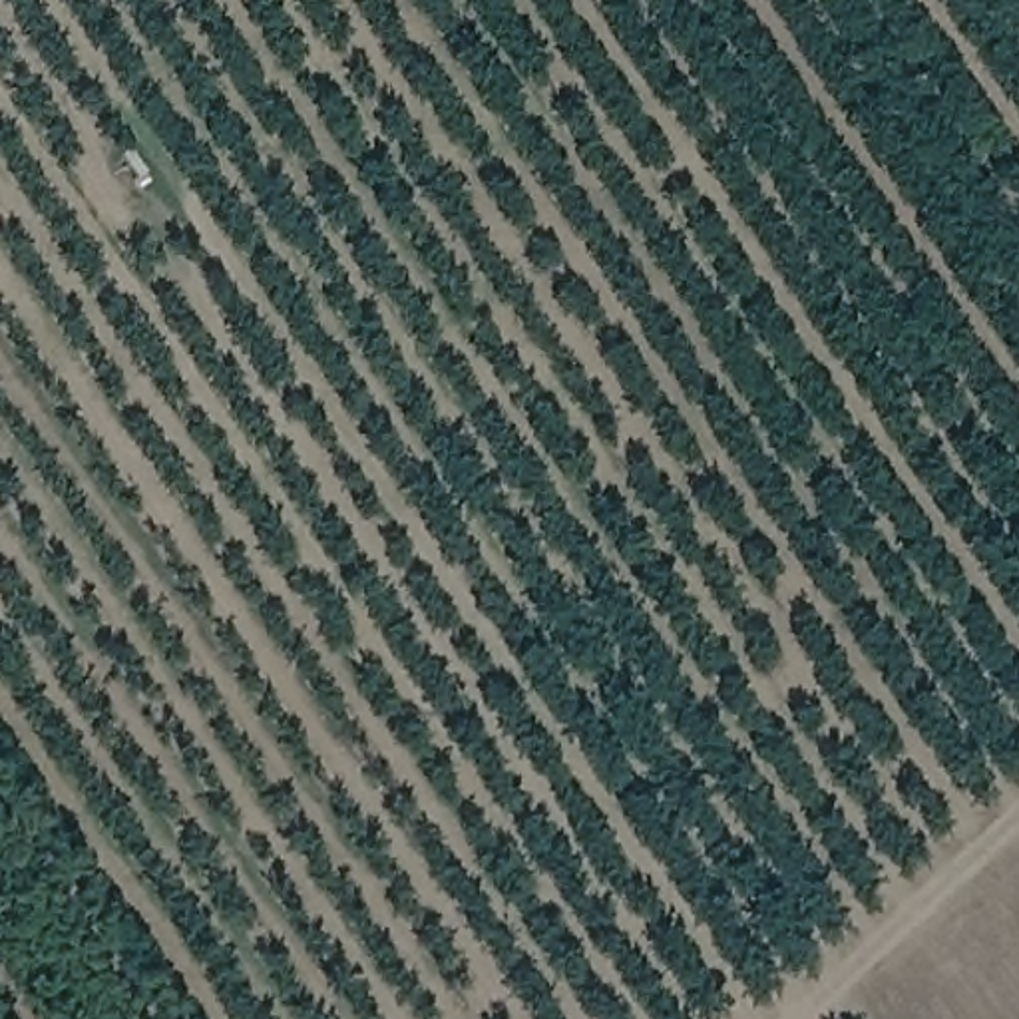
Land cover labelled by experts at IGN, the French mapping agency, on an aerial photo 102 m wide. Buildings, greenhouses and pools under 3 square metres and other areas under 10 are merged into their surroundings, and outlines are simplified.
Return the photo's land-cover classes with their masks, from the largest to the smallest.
<instances>
[{"label":"deciduous trees","instance_id":"1","mask_svg":"<svg viewBox=\"0 0 1019 1019\"><path fill-rule=\"evenodd\" d=\"M36 52L56 68V76L96 115L100 131L115 147H131L135 135L111 107L103 84L80 68L68 36L48 16L44 0H8ZM92 44L103 48L111 72L131 92L139 115L171 151L175 167L191 179L223 235L247 255L259 287L287 314L303 350L322 366L370 450L406 490L410 506L438 537L446 561L466 569L478 609L502 629L506 645L533 677V689L581 740L589 764L621 800V812L629 816L641 844L669 868L681 896L713 927L720 955L732 959L736 979L748 987V995L756 1003H768L788 971L816 975L820 947L828 939H840L844 919L852 912H880V872L868 860L860 836L844 824L836 800L820 792L784 724H772L776 713H768L756 701L744 673L732 661L728 641L709 629L697 601L685 593V581L673 573V561L661 549H653L645 521L625 510L621 494L597 482L589 486L585 502L593 517L609 529L613 545L625 553L629 569L641 577V585L657 597L661 613H669L677 637L693 649L701 673L716 677L713 697L693 693L673 653L661 645L657 629L633 605L625 585L613 581V569L597 553V541L569 517L561 498L553 494L533 450L502 418L498 402L486 398L466 358L450 342H442L426 295L410 287L406 271L370 231L342 175L330 163H322L295 103L263 80V68L251 56L247 40L215 0H127L135 24L175 68L187 100L203 111L211 127V135L199 143L191 123L175 115L159 84L147 76L143 56L123 36L115 12L100 0H68ZM175 20H195L223 64L203 68L191 44L175 32ZM227 72L235 76L247 103L259 111L263 127L275 131L303 159L310 191L322 199V211L346 231V243L362 275L394 299L402 322L418 338V350L454 386L458 418H438L430 390L418 374L406 370L398 346L382 330L374 303L350 291L330 243L318 235L310 219V207L295 199L279 163L259 159L247 123L227 107V100L215 88ZM219 147L231 151L235 167L259 195L255 203L243 207L219 175ZM255 211H267L279 235L322 271L326 303L346 318L350 334L362 342V354L398 398L406 422L430 446L422 462L406 454L386 410L366 394L362 378L350 370L346 350L318 326L306 287L287 271L283 259L271 255L251 219ZM462 510L482 513L486 525L502 537V553L510 557L513 573L529 593L521 605L510 601L502 581L482 561L478 541L466 533L458 517ZM760 752L776 764L788 792L820 828L828 860L816 864L808 844L796 836L792 816L776 808L772 788L752 768V756ZM279 64L314 100L322 123L330 127L346 159L358 167L362 183L374 191L386 219L410 239L414 255L434 275L450 314L474 318L470 342L486 354L502 382H513V402L529 414L533 430L573 482L593 470L585 438L565 422L557 398L533 378L517 350L502 342L490 306H482L470 295L466 267L454 263V255L442 247V239L414 207V191H426L442 207L450 227L466 239L490 287L513 306L525 334L545 350L565 390L593 418L601 442L617 438L609 398L601 394V382L585 374V366L573 358V350L561 342L549 318L537 310L533 287L521 283L510 259L494 247L490 231L482 227L466 195L462 171L430 155L422 127L406 115L402 100L374 80V68L366 52L354 48L346 12H338L334 0H299L303 12L314 20L318 36L346 64L354 88L366 100H378L382 131L370 143L362 135L358 111L338 92V84L306 68L303 36L287 20L279 0H243ZM390 64H398L410 88L422 100H430L446 135L474 155L486 191L494 195L498 211L517 227L525 255L553 279L557 303L597 334L601 358L617 370L629 406L649 414L665 450L685 462V474L701 506L728 537H736L764 593L776 589L780 577L772 541L744 517L736 490L705 462L693 430L661 394L629 334L605 318L593 287L561 255L557 235L537 223L529 195L521 191L517 175L502 159H494L490 135L474 123L450 76L422 44L406 36L394 0H358ZM426 12V20L442 32L450 52L470 68V80L486 107L506 119L513 147L533 163L537 179L553 191L561 215L585 239L589 255L601 263L621 303L633 306L649 342L661 350L685 394L701 402L716 442L744 470L760 506L780 521L808 577L844 613L860 649L892 685L896 701L904 705L916 728L935 748L951 780L979 804L995 800V776H1019V649L991 617L983 593L963 577V565L947 553L943 537L931 533V521L896 478L892 462L876 450L864 426L852 422L832 374L804 350L792 318L776 306L768 283L756 279L744 247L728 235L713 199L697 191V183L669 195L685 207V219L693 223L697 239L716 263L720 283L709 287V279L693 267L685 251V239L657 215V207L629 175V167L597 135V123L585 111L577 88H557L553 107L573 127L585 167L601 175L621 215L645 235L669 283L697 310L709 346L720 354L724 370L748 394V402L760 410L772 446L784 450L792 466L808 474L816 513H804L784 470L760 454L748 422L713 382V374L701 370L681 322L669 314L661 299H653L649 279L629 255V243L609 231L605 215L589 203L585 187H577L561 143L545 131L537 115L525 111L521 84L541 80L549 72V60L541 36L513 8V0H470L510 48V60L498 64V52L482 44L470 20L454 16L450 0H414ZM812 422H824V430L844 442V458L856 466L852 474L840 478L832 470V462L812 442ZM828 529L844 533V541L860 557H868L892 605L908 613V625L927 657L923 669L912 665L904 641L896 637V625L880 617L876 605L860 593L852 569L836 561ZM557 32L565 64L593 84L609 119L625 131V139L649 167L665 163L673 147L657 119L641 111L629 80L617 72V64L605 56L593 28L573 12L569 0H533ZM609 28L653 84L657 100L669 103L685 131L697 139L709 171L724 183L728 199L756 231V239L804 303L824 342L844 358L856 386L872 398L876 414L908 454L912 470L927 482L947 521L959 525V533L967 537V545L975 549L1007 605L1019 613V390L999 370L991 350L975 338L971 322L943 291L939 275L916 251L912 235L900 227L892 203L856 163L836 127L824 119L820 103L800 84L796 68L776 48L772 32L756 20V12L744 0H597ZM912 394H923L931 418L947 430L963 422V414H991V430L975 426L971 438L959 442L963 462L983 478L991 494L987 506H975L967 482H959L947 470L939 442L919 430L908 406ZM784 24L792 28L796 44L836 96V103L864 131L872 155L892 171V179L916 207V219L939 243L943 259L951 263L967 295L983 306V314L1019 362V139L1007 131L995 103L963 68L955 44L943 36V28L927 16L919 0H772ZM959 28L975 40L983 64L995 72L1003 92L1019 103V0H943ZM0 80L12 88V100L32 115V123L44 127L60 167H72L80 159V139L76 127L56 111L48 88L16 56L8 32L0 28ZM0 155L16 175L20 191L28 195V203L52 227V239L60 243L68 267L80 271L84 283L96 291L107 322L127 342L135 362L147 370L155 390L171 402L187 390V382L179 378L171 350L151 330L135 299L115 291V283L107 279L100 247L92 243V235H84L76 211L48 187L16 123L0 115ZM0 247L8 251L16 275H24L32 295L40 299V306L60 322L68 346L88 354V366L103 398L123 390V374L92 334L80 299L60 291L48 275L20 219H0ZM179 251L183 259H191L203 271L207 291L219 303L231 334L251 350L259 378L275 386L291 370L287 350L255 314V306L239 295L223 263L199 243L195 227L171 219L151 223L147 239L127 251L131 271L143 287H155V279H167L163 259ZM159 306L187 342L195 366L227 398L247 438L259 450H267L271 470L295 498V506L306 513L322 549L338 561L342 577L362 593L390 649L402 657L422 693L438 705L450 736L466 748L494 800L517 820L537 864L557 880L561 896L585 919L593 943L617 963V971L641 995L653 1019H681L677 999L661 987L657 971L617 927L609 900L585 892L581 868L565 848V836L549 824L541 804L529 800L521 780L506 768L498 744L486 736L478 713L462 697V681L446 673V661L430 653V645L418 641L414 621L398 605L394 589L358 549L338 510L318 498L314 474L299 466L295 446L283 434H275L267 406L247 394L235 358L215 350V338L175 287L159 299ZM0 326L8 330L20 374L36 386L44 410L56 414L60 430L88 462L100 490L115 506L135 510L139 490L119 478L103 438L92 434L80 406L72 402L68 382L56 378V370L40 358L20 314L0 299ZM287 414L310 430V438L326 450L334 474L342 478L346 494L354 498V506L370 517L382 502L370 478L342 450L310 386L295 382L283 390ZM0 422L32 454V466L44 478V486L64 502L72 525L88 537L111 589L127 581L135 569L123 545L88 510L72 474L56 462V450L40 438V430L20 414V406L0 386ZM123 430L159 470L163 486L179 498L203 545H215L223 521L211 498L187 474L183 454L135 402L119 414ZM183 426L211 458L215 482L255 525L263 553L279 565L287 585L299 589L303 601L318 613L322 637L334 649L350 645L354 625L342 597L330 589L322 573L299 561L295 537L271 506V498L255 486L247 466L235 462L223 430L199 406H191L183 414ZM633 490L645 506L661 513L673 545H681V557L701 569L716 605L744 633L756 669H776L780 645L768 617L748 609L728 561L697 537L681 494L653 466V458H645L625 466ZM8 502L20 510V537L52 581H68L76 565L68 553L52 557L56 537L44 533L40 510L24 498L12 462H0V506ZM378 533L386 541V553L406 573L410 593L422 601L426 617L450 633L454 649L474 665L478 685L486 701L498 709L502 728H510L517 748L549 780L581 844L589 848L601 880L621 888L629 908L645 919L649 939L681 975L689 999H697L705 1019H720L732 1003L724 995V975L705 967L697 943L685 935V923L661 904L653 880L625 860L605 824V812L585 796L577 776L565 768L561 748L525 709L517 681L494 665L478 633L458 617L454 597L438 585L434 569L414 553L406 529L398 521L382 525ZM163 581L195 613L199 637L211 649H219V661L239 677L243 693L291 756V764L306 776L318 772L322 760L310 752L299 716H291L279 705L275 685L259 673L235 621L215 613L199 569L183 561L171 537L163 541ZM223 573L255 609L267 637L299 669V681L310 689L314 705L326 716V728L342 744L358 748L366 740L362 724L346 713L342 693L303 641V633L291 625L283 601L267 593L263 581L251 573L243 541L231 537L219 557ZM76 621L64 633L44 605L32 601V589L20 577L16 561L0 553V681L12 689L16 705L36 724L52 760L76 780L103 832L115 840L123 856H131L147 892L171 916L191 955L207 967V979L231 1019H275L271 999L251 995L235 963V947L219 943L211 931V916L223 912L231 919L235 912L251 908L235 876L219 860L215 836L199 832L195 820L179 824V852L187 856L191 872H199L211 888V900L199 908V900L171 876V864L143 836L139 820L127 808V796H119L107 784V776L88 760L80 736L72 732L60 709H52L44 685L32 677V665L24 657V637H44V649L56 665L64 693L88 713L96 736L115 756L123 776L139 784L151 812L167 816L179 808V796L163 784L159 764L115 720L107 693L92 685L72 649L76 641H92L103 657H111L107 673L123 681L131 693H159L151 673L143 669V657L131 649L123 633L103 625L96 585H84L80 597H68ZM127 609L135 613V621L151 633L163 661H183V633L167 625V617L151 605L147 589H135ZM796 641L808 653L816 681L852 720V732L840 736V752H828L824 764L860 800L868 828L876 832V844L900 864L904 876H912L927 860V848L884 804L876 772L868 768L872 760L904 748L900 740L884 705L852 681L848 657L840 653L824 621L804 625ZM362 697L390 724L398 744L410 748L438 800L458 816L470 848L490 868L502 896L517 904L529 935L549 951L553 967H561V975L569 979L581 1007L593 1019H629L613 987L601 983L597 971L585 963L557 908L537 900L533 880L510 848V836L486 824L482 808L458 788L450 756L430 740L418 709L398 697L378 657L366 653L354 669ZM179 689L203 709L211 732L235 760V768L247 776L259 804L271 812L275 828L291 840L295 852H303L314 884L334 900L342 919L362 939V947L374 955L382 979L414 1011V1019H434V995L402 963L390 931H382L370 919L366 900L358 884H350L346 868L330 864L318 828L303 816L291 784L267 776L259 748L227 716L219 689L191 669L179 677ZM155 736L179 748L183 772L191 776L195 796L207 804V812L219 820H235L239 808L227 796L215 764L195 744L187 724L171 713L155 724ZM0 1019H207L203 1003L187 991L175 963L159 951L147 919L96 864V852L88 848L76 816L52 800L40 768L28 760L16 732L0 716ZM366 780L382 788L390 816L426 856L430 876L442 884V892L458 900L466 923L490 947L506 983L525 999L533 1019H565L549 983L513 943L510 927L490 912L478 880L466 876L458 856L442 844L438 828L414 804V792L390 772L386 756H374L362 768ZM896 784L904 800H912L939 836L951 828L947 800L912 764L900 768ZM326 808L338 824V836L386 884L390 908L410 919L438 975L450 987H470V967L466 955L454 947V935L442 927L434 908H426L414 896L410 876L390 856L378 824L362 816L342 780H334ZM271 892L283 904L287 923L299 931L330 987L350 1003L358 1019H382L358 967L342 955V943H334L322 931V919L306 916L299 888L291 884L279 860L271 864ZM267 979L283 991L287 1007L299 1019H334L299 983L291 955L283 951L267 955Z\"/></svg>","mask_w":1019,"mask_h":1019},{"label":"herbaceous vegetation","instance_id":"2","mask_svg":"<svg viewBox=\"0 0 1019 1019\"><path fill-rule=\"evenodd\" d=\"M48 16L68 36L80 68L103 84L111 107L135 135L131 147H115L100 131L96 115L56 76V68L36 52L8 0H0V28L8 32L16 56L48 88L56 111L76 127L80 139V159L72 167H60L44 127L32 123V115L12 100V88L0 80V115L16 123L48 187L76 211L84 235H92V243L100 247L107 279L115 283V291L135 299L151 330L171 350L179 378L187 382V390L171 402L155 390L147 370L135 362L127 342L107 322L96 291L84 283L80 271L68 267L60 243L52 239V227L28 203V195L20 191L16 175L0 155V219H20L48 275L60 291L80 299L92 334L123 374V390L103 398L88 366V354L68 346L60 322L40 306V299L32 295L24 275H16L8 251L0 247V299L20 314L40 358L56 370V378L68 382L72 402L80 406L92 434L103 438L119 478L139 490L135 510L115 506L100 490L88 462L60 430L56 414L44 410L36 386L20 374L8 330L0 326V386L20 406V414L40 430V438L56 450V462L72 474L88 510L123 545L135 569L127 581L111 589L88 537L72 525L64 502L44 486V478L32 466V454L0 422V462H12L24 498L40 510L44 533L56 537L52 557L68 553L76 565L68 581H52L20 537V510L8 502L0 506V553L16 561L20 577L32 589V601L44 605L64 633L76 621L68 597H80L84 585H96L103 625L123 633L131 649L143 657V669L151 673L159 693H131L123 681L107 673L111 657H103L92 641H76L72 649L92 685L107 693L115 720L159 764L163 784L179 796V808L167 816L151 812L139 784L123 776L115 756L96 736L88 713L64 693L56 665L44 649V637H24V657L32 665V677L44 685L52 709H60L72 732L80 736L88 760L107 776V784L119 796H127V808L139 820L143 836L171 864V876L199 900V908L211 900V888L199 872H191L187 856L179 852V824L195 820L199 832L215 836L219 860L235 876L251 908L235 912L231 919L223 912L211 916V931L219 943L235 947V963L251 995L271 999L275 1019H299L287 1007L283 991L267 979V955L283 951L291 955L299 983L334 1019H358L350 1003L330 987L299 931L287 923L283 904L271 892V864L279 860L291 884L299 888L306 916L322 919V931L334 943H342V955L358 967L382 1019H414V1011L382 979L374 955L362 947V939L342 919L334 900L314 884L303 852H295L291 840L275 828L271 812L259 804L247 776L235 768V760L211 732L203 709L179 689V677L191 669L219 689L227 716L259 748L267 776L291 784L303 816L318 828L330 864L346 868L350 884H358L366 900L370 919L382 931H390L402 963L434 995V1019H533L525 999L506 983L490 947L466 923L458 900L442 892V884L430 876L426 856L390 816L382 788L366 780L362 768L374 756H386L390 772L414 792V804L438 828L442 844L458 856L466 876L478 880L490 912L510 927L513 943L549 983L565 1019H593L581 1007L569 979L561 975V967H553L549 951L529 935L517 904L502 896L490 868L470 848L458 816L438 800L410 748L398 744L390 724L362 697L354 669L366 653L378 657L398 697L418 709L430 740L450 756L458 788L482 808L486 824L510 836V848L533 880L537 900L557 908L585 963L597 971L601 983L613 987L629 1019H653L641 995L617 971V963L593 943L585 919L561 896L557 880L537 864L517 820L494 800L466 748L450 736L438 705L422 693L402 657L390 649L362 593L342 577L338 561L322 549L306 513L295 506V498L271 470L267 450H259L247 438L227 398L195 366L187 342L159 306V299L175 287L215 338V350L235 358L247 394L267 406L275 434H283L295 446L299 466L314 474L318 498L338 510L358 549L394 589L398 605L414 621L418 641L430 645V653L446 661V673L462 681V697L478 713L486 736L498 744L506 768L521 780L529 800L541 804L549 824L565 836V848L581 868L585 892L609 900L617 927L657 971L661 987L677 999L681 1019H705L697 999H689L681 975L649 939L645 919L629 908L621 888L601 880L589 848L581 844L549 780L517 748L510 728H502L498 709L486 701L478 685L474 665L454 649L450 633L426 617L422 601L410 593L406 573L386 553V541L378 533L382 525L398 521L406 529L414 553L434 569L438 585L454 597L458 617L478 633L494 665L517 681L525 709L561 748L565 768L577 776L585 796L605 812V824L625 860L653 880L661 904L685 923V935L697 943L705 967L724 975V995L732 1003H744L748 995V987L736 979L732 959L720 955L713 927L681 896L669 868L641 844L629 816L621 812V800L589 764L581 740L533 689V677L506 645L502 629L478 609L466 569L446 561L438 537L410 506L406 490L370 450L322 366L303 350L287 314L259 287L247 255L223 235L191 179L175 167L171 151L139 115L131 92L111 72L103 48L92 44L68 0H44ZM171 219L195 227L199 243L223 263L239 295L255 306V314L287 350L291 370L275 386L259 378L251 350L231 334L219 303L207 291L203 271L191 259H183L179 251L163 259L167 279H155V287H143L131 271L127 251L147 239L151 223ZM295 382L310 386L342 450L370 478L382 502L370 517L354 506V498L346 494L342 478L334 474L326 450L310 438V430L287 414L283 390ZM135 402L183 454L187 474L211 498L223 521L215 545H203L179 498L163 486L159 470L123 430L119 414ZM191 406H199L223 430L235 462L247 466L255 486L271 498V506L295 537L299 561L322 573L330 589L342 597L354 625L350 645L334 649L322 637L318 613L303 601L299 589L287 585L279 565L263 553L255 525L215 482L211 458L183 426V414ZM171 537L183 561L199 569L215 613L235 621L259 673L275 685L279 705L291 716H299L310 752L322 760L318 772L306 776L291 764V756L243 693L239 677L219 661V649H211L199 637L195 613L163 581V541ZM231 537L243 541L251 573L263 581L267 593L283 601L291 625L303 633V641L342 693L346 713L362 724L366 740L358 748L342 744L326 728V716L314 705L310 689L299 681V669L267 637L255 609L223 573L219 557ZM135 589H147L151 605L167 617V625L183 633V661H163L151 633L135 621V613L127 609ZM171 713L187 724L195 744L215 764L227 796L239 808L235 820H219L207 812V804L195 796L191 776L183 772L179 748L155 736V724ZM334 780H342L362 816L378 824L390 856L410 876L414 896L426 908H434L442 927L454 935V947L466 955L470 967V987H450L438 975L410 919L390 908L386 884L338 836V824L326 808ZM115 12L123 36L143 56L147 76L159 84L175 115L191 123L199 143L211 135V127L203 111L187 100L175 68L135 24L127 0H100ZM247 40L251 56L263 68V80L295 103L322 163H330L342 175L370 231L406 271L410 287L426 295L442 342H450L466 358L486 398L498 402L502 418L533 450L553 494L561 498L569 517L597 541V553L613 569V581L625 585L633 605L657 629L661 645L673 653L693 693L713 697L716 677L701 673L693 649L677 637L669 613H661L657 597L641 585V577L629 569L625 553L613 545L609 529L593 517L585 502L589 486L597 482L621 494L625 510L645 521L653 549H661L673 561V573L685 581V593L697 601L709 629L728 641L732 661L744 673L756 701L768 713H776L772 724H784L820 792L836 800L844 824L860 836L868 860L880 872V884H900L904 876L900 864L876 844V832L868 828L860 800L824 764L828 752H840V736L852 732V720L816 681L808 653L796 641L804 625L824 621L840 653L848 657L852 681L884 705L900 740L916 728L904 705L896 701L892 685L860 649L844 613L808 577L780 521L760 506L744 470L716 442L701 402L685 394L661 350L649 342L633 306L621 303L601 263L589 255L585 239L561 215L553 191L537 179L533 163L513 147L506 119L486 107L470 80V68L450 52L442 32L426 20V12L414 0H394L406 36L422 44L450 76L474 123L490 135L494 159H502L517 175L521 191L529 195L537 223L557 235L561 255L593 287L605 318L629 334L661 394L693 430L705 462L736 490L744 517L772 541L780 577L776 589L764 593L736 537H728L701 506L685 474V462L665 450L649 414L629 406L617 370L601 358L597 334L557 303L553 279L525 255L517 227L498 211L494 195L486 191L474 155L446 135L430 100H422L410 88L398 64H390L358 0H334L338 12H346L354 48L366 52L374 68V80L402 100L406 115L422 127L430 155L462 171L466 195L482 227L490 231L494 247L510 259L521 283L533 287L537 310L549 318L561 342L573 350V358L585 366V374L601 382V394L609 398L617 438L601 442L593 418L565 390L545 350L525 334L513 306L490 287L466 239L450 227L442 207L426 191H414V207L442 239V247L454 255V263L466 267L470 295L482 306H490L502 342L517 350L533 378L557 398L565 422L585 438L593 470L573 482L533 430L529 414L513 402V382H502L486 354L470 342L474 318L450 314L434 275L414 255L410 239L386 219L374 191L362 183L358 167L346 159L330 127L322 123L314 100L279 64L243 0H215ZM645 458H653V466L681 494L697 537L728 561L748 609L768 617L780 645L776 669H756L744 633L716 605L701 569L681 557V545H673L661 513L645 506L633 490L625 466ZM287 20L303 36L306 68L338 84V92L358 111L362 135L370 143L382 131L378 100H366L354 88L346 64L318 36L314 20L303 12L299 0H279ZM454 16L470 20L482 44L498 52V64L510 60V48L470 0H450ZM573 12L593 28L605 56L617 64V72L629 80L641 111L657 119L673 147L665 163L649 167L625 139V131L609 119L593 84L565 64L557 32L533 0H513V8L541 36L549 60V72L541 80L521 84L525 111L537 115L545 131L561 143L577 187H585L589 203L605 215L609 231L629 243V255L649 279L653 299H661L669 314L681 322L701 370L713 374V382L748 422L760 454L784 470L804 513H816L808 474L792 466L784 450L772 446L760 410L748 402V394L724 370L720 354L709 346L697 310L669 283L645 235L621 215L601 175L585 167L573 127L553 107L557 88H577L585 111L597 123V135L629 167V175L657 207V215L685 239V251L693 267L709 279V287L720 283L716 263L697 239L693 223L685 219V207L669 195L697 183V191L713 199L728 235L744 247L756 279L768 283L776 306L792 318L804 350L832 374L852 422L864 426L876 450L892 462L896 478L931 521V533L943 537L947 553L963 565V577L983 593L991 617L1019 649V613L1007 605L975 549L967 545V537L959 533V525L947 521L927 482L912 470L908 454L876 414L872 398L856 386L844 358L824 342L804 303L756 239V231L728 199L724 183L709 171L697 139L685 131L669 103L657 100L653 84L609 28L597 0H569ZM756 12V20L772 32L776 48L796 68L800 84L820 103L824 119L836 127L856 163L892 203L900 227L912 235L916 251L939 275L943 291L971 322L975 338L991 350L999 370L1019 390V362L983 314V306L967 295L951 263L943 259L939 243L916 219V207L892 179V171L872 155L864 131L836 103V96L796 44L792 28L784 24L772 0H744ZM927 16L943 28V36L955 44L963 68L995 103L1007 131L1019 139V103L1003 92L995 72L983 64L975 40L959 28L943 0H919ZM175 32L191 44L203 68L223 64L195 20H175ZM215 88L227 100V107L247 123L259 159L279 163L295 199L310 207V219L318 235L330 243L350 291L374 303L382 330L398 346L406 370L418 374L430 390L438 418H458L454 386L418 350V338L402 322L394 299L362 275L346 243V231L322 211V199L310 191L303 159L275 131L263 127L259 111L247 103L235 76L227 72ZM219 175L243 207L255 203L259 195L235 167L231 151L219 147ZM251 219L271 255L283 259L287 271L306 287L318 326L346 350L350 370L362 378L366 394L386 410L406 454L422 462L430 446L406 422L398 398L362 354V342L350 334L346 318L326 303L322 271L279 235L267 211H255ZM908 406L919 430L939 442L947 470L959 482H967L975 506H987L991 494L983 478L963 462L959 442L971 438L975 426L991 430V414H963V422L947 430L931 418L923 394H912ZM812 442L832 462V470L840 478L852 474L856 466L844 458V442L824 430V422H812ZM458 517L466 533L478 541L482 561L502 581L510 601L521 605L529 593L513 573L510 557L502 553V537L486 525L482 513L462 510ZM836 561L852 569L860 593L876 605L880 617L896 625V637L904 641L912 665L923 669L927 657L908 625V613L892 605L868 557H860L844 541V533L828 529ZM0 716L16 732L28 760L40 768L52 800L76 816L88 848L96 852V864L147 919L159 951L175 963L187 991L203 1003L207 1019H231L207 979V967L191 955L171 916L147 892L131 856H123L115 840L103 832L76 780L52 760L36 724L16 705L12 689L0 681ZM912 764L904 748L872 760L868 768L876 772L884 804L927 848L939 836L912 800H904L896 784L900 768ZM752 768L772 788L776 808L792 816L796 836L808 844L816 864L828 860L820 828L788 792L776 764L760 752L752 756ZM900 995L892 999L872 975L848 995L844 1015L828 1019H892Z\"/></svg>","mask_w":1019,"mask_h":1019},{"label":"pervious surface","instance_id":"3","mask_svg":"<svg viewBox=\"0 0 1019 1019\"><path fill-rule=\"evenodd\" d=\"M912 764L947 800L951 828L939 836L927 848V860L912 876H904L900 884H880V912H852L844 919L840 939H828L820 947L816 975L788 971L768 1003H756L748 995L744 1003H732L720 1019H828L844 1015L848 995L872 975L880 959L912 943V935L943 912V904L959 888H967L991 860H999L1019 840V776H995V800L979 804L951 780L935 748L916 728L900 740Z\"/></svg>","mask_w":1019,"mask_h":1019},{"label":"agricultural land","instance_id":"4","mask_svg":"<svg viewBox=\"0 0 1019 1019\"><path fill-rule=\"evenodd\" d=\"M892 999L900 995L892 1019H1019V840L999 860H991L967 888H959L943 904V912L912 935V943L880 959L872 975Z\"/></svg>","mask_w":1019,"mask_h":1019}]
</instances>
